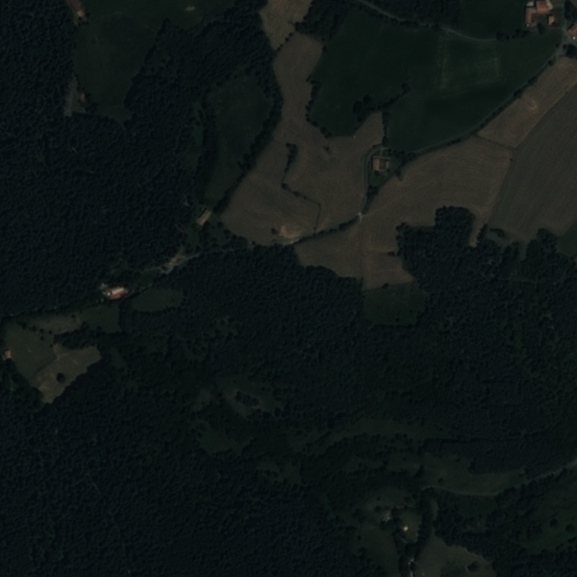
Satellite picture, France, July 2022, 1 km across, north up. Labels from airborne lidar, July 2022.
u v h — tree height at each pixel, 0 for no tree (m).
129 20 0
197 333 18
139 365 21
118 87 0
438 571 0
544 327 11
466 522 17
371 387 21
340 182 0
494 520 25
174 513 26
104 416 27
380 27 0
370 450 17
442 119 0
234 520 26
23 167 24
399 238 10
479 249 12
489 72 0
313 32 9
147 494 27
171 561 24
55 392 0
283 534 31
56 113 21
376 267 0
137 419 21
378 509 15
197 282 15
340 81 0
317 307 16
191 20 0
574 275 12
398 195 0
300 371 15
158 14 0
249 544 27
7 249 23
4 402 24
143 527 31
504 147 0
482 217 0
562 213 0
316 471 15
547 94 0
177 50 16
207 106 23
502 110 6
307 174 0
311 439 0
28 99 29
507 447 19
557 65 0
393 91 0
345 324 14
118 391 20
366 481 13
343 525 12
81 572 26
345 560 24
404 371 16
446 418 24
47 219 27
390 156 8
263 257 15
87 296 16
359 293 13
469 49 0
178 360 18
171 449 26
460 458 8
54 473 26
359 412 18
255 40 23
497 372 13
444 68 0
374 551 0
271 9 0
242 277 17
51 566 25
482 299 11
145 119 23
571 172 0
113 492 30
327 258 0
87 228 28
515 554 12
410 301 0
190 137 20
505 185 0
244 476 28
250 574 26
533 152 0
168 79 9
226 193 7
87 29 0
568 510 0
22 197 27
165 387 17
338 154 0
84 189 27
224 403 14
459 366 22
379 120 0
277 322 14
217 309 12
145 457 29
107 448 16
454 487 0
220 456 12
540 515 0
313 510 27
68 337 17
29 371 0
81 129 28
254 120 0
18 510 18
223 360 20
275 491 11
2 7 26
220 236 0
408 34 0
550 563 20
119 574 26
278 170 0
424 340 15
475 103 0
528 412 14
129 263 26
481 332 16
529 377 12
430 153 0
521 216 0
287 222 0
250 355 15
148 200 20
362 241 0
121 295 8
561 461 22
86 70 0
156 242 22
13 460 14
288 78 0
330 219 0
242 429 16
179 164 23
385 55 0
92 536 28
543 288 6
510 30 0
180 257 0
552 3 0
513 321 9
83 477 29
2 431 25
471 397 17
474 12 0
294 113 0
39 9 23
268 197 0
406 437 13
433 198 0
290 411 25
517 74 0
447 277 9
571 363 15
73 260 26
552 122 0
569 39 0
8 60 31
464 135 0
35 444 30
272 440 16
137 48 0
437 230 13
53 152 26
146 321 20
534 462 23
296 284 12
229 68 15
